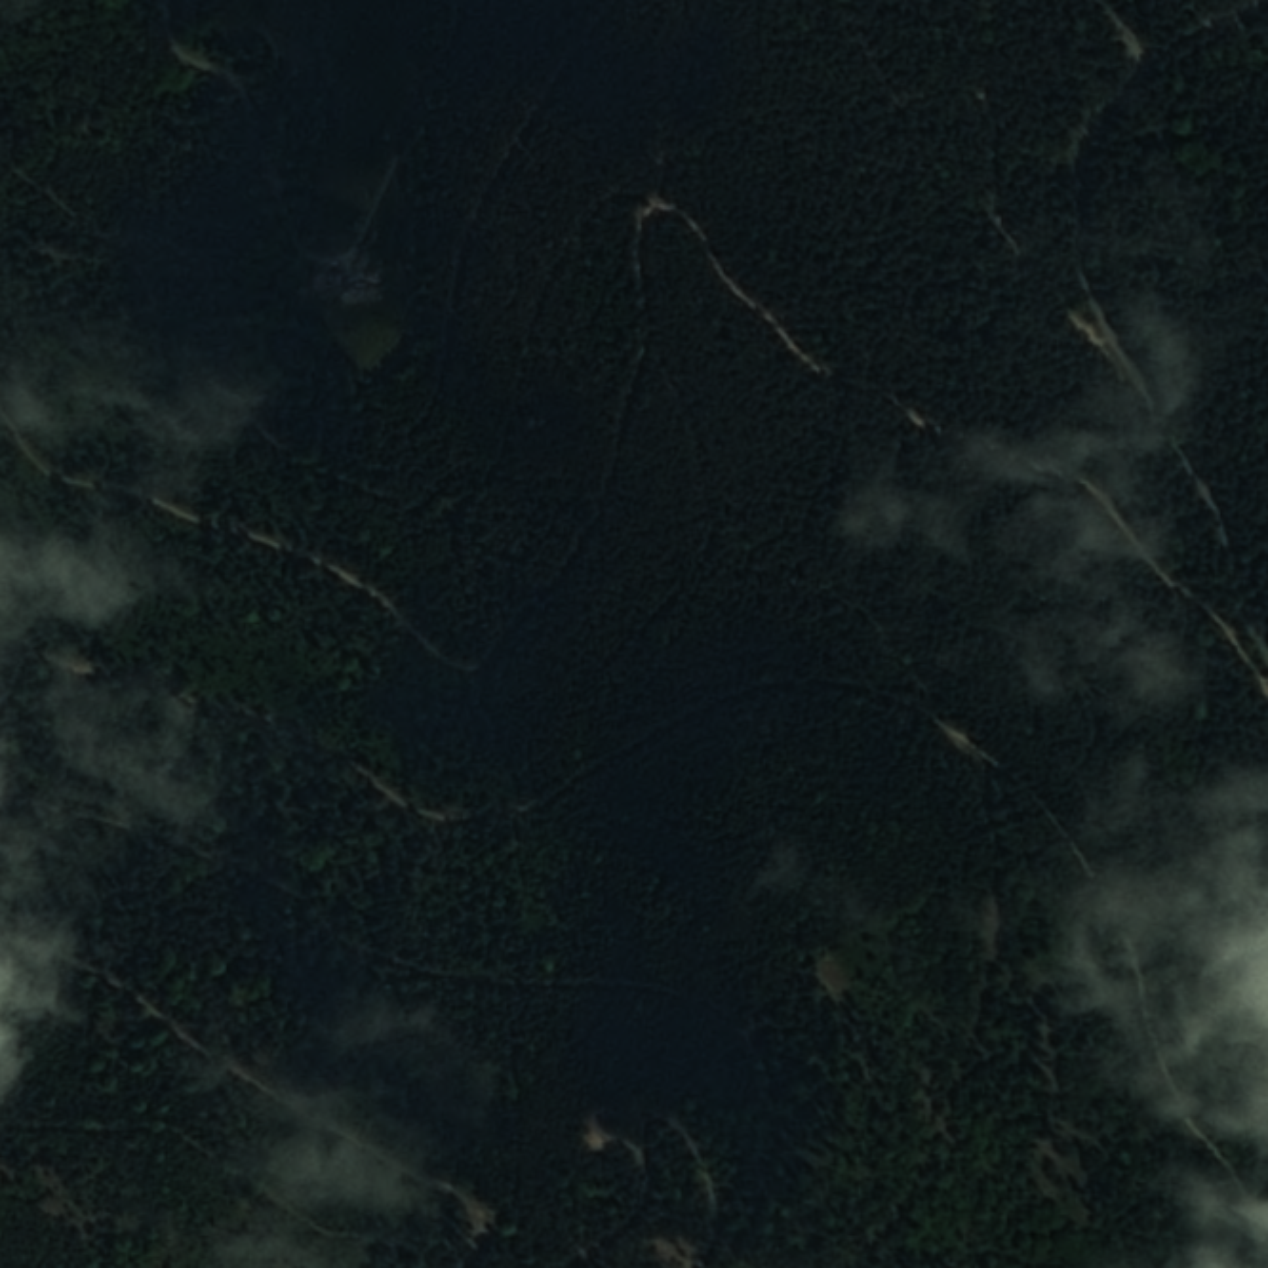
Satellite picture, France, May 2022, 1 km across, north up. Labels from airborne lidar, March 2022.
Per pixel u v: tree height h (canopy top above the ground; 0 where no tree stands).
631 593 21
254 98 19
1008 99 23
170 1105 13
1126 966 10
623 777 15
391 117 0
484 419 20
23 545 6
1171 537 27
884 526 27
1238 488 28
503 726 14
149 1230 12
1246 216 30
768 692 20
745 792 17
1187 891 15
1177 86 16
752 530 27
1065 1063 13
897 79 21
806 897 16
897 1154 6
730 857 18
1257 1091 19
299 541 26
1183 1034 10
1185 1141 16
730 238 21
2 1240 11
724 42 21
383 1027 12
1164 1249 12
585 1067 19
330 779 21
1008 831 27
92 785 26
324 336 20
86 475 21
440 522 17
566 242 20
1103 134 27
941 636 23
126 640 0
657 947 15
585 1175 17
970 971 16
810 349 25
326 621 9
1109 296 27
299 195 22
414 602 17
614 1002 15
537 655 23
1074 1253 13
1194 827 22
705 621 25
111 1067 7
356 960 13
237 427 12
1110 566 25
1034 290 25
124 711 29
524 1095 19
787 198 22
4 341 14
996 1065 11
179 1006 27
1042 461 26
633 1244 27
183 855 27
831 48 27
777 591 25
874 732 17
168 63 28
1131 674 31
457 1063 15
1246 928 16
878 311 26
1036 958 13
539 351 24
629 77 20
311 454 24
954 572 23
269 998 13
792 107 21
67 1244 10
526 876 10
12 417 16
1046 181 21
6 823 26
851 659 19
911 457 28
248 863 27
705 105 22
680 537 23
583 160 13
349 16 0
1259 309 24
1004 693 25
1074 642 20
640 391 23
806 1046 24
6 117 25
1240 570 27
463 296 22
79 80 26
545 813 13
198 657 7
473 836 15
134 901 28
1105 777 25
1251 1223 16
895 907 16
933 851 17
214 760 23
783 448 28
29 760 32
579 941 12
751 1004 17
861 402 27
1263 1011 16
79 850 25
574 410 18
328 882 7
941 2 24
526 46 22
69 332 15
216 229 12
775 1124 25
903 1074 7
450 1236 30
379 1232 29
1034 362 30
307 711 8
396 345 0
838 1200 8
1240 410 27
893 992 12
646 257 15
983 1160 10
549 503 19
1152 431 25
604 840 18
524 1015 17
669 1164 20
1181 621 24
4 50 18
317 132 27
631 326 18
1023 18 24
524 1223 20
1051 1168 13
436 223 24
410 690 10
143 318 13
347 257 0
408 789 19
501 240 18
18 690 26
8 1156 10
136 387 7
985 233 24
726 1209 15
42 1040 8
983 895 20
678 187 17
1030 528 30
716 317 20
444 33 24
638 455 18
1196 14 18
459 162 23
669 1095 18
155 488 30
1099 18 24
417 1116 16
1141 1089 13
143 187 14
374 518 13
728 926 17
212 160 10
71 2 16
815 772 16
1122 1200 13
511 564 24
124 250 14
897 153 23
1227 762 29
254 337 28
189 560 10
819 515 23
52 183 13
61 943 27
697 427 20
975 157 22
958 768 19
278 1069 6
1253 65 22
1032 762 24
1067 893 18
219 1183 6
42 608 26
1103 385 30
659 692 18
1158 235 26
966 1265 7
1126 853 20
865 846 16
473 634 14
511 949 14
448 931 7
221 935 27
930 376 26
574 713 20
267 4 0
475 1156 14
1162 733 25
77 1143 10
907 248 26
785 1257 29
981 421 25
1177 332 26
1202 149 27
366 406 14
